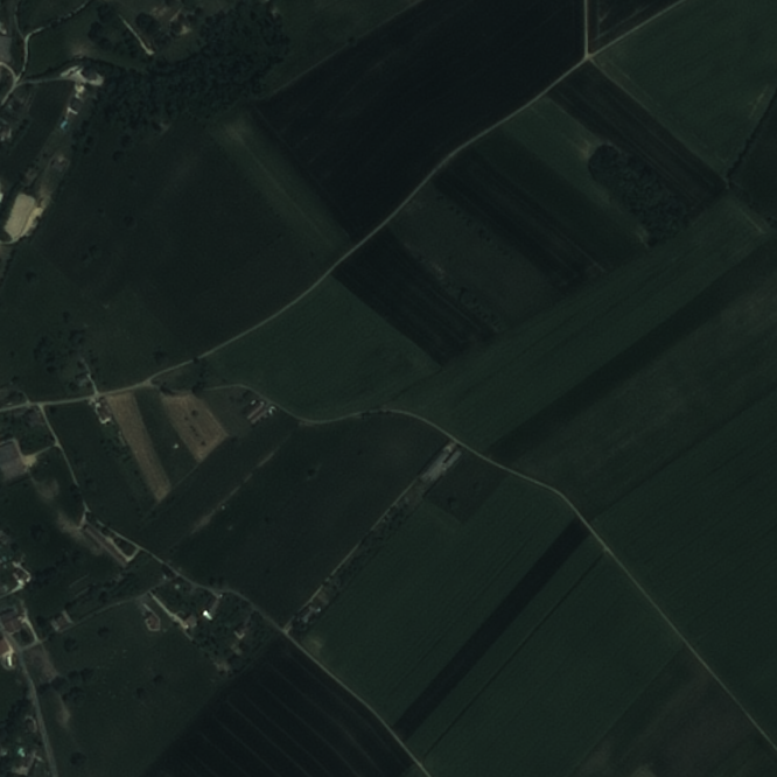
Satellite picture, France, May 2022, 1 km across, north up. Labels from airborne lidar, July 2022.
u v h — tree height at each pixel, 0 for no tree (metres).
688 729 0
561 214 0
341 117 0
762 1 0
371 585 0
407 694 0
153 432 0
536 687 0
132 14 0
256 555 0
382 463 0
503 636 0
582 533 0
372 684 0
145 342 0
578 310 0
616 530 0
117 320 0
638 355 0
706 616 0
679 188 0
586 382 0
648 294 0
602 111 0
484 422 0
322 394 0
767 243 0
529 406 0
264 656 0
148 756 0
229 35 22
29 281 13
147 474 0
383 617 0
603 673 0
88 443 0
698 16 0
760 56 0
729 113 0
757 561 0
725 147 0
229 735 0
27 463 0
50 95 0
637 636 0
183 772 0
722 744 0
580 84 0
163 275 0
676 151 0
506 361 0
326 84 0
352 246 0
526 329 0
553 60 0
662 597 0
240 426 0
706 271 0
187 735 0
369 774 0
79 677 12
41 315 0
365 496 0
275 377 0
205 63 10
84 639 0
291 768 0
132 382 0
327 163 0
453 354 0
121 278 0
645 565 0
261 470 0
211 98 17
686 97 0
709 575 0
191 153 0
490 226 0
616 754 0
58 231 0
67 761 0
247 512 0
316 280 0
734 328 0
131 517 0
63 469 0
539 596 0
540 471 0
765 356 0
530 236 0
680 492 0
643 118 0
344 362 0
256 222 0
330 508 0
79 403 0
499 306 0
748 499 0
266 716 0
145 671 0
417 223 0
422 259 8
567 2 0
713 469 0
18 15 12
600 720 0
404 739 0
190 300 0
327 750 0
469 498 0
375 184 0
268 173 0
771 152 0
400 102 0
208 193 0
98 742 0
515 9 0
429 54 0
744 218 0
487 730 0
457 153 0
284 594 0
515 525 0
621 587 0
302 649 0
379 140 0
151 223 0
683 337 0
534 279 0
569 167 0
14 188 7
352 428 0
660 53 0
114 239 0
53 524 0
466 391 0
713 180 0
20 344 0
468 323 0
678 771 0
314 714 0
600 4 0
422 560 0
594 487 0
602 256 0
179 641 0
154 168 0
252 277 0
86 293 0
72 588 0
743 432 0
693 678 0
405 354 0
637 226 0
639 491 0
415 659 0
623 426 0
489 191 0
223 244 0
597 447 0
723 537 0
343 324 0
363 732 0
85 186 0
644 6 0
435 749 0
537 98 0
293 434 0
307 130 0
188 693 0
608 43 0
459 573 0
